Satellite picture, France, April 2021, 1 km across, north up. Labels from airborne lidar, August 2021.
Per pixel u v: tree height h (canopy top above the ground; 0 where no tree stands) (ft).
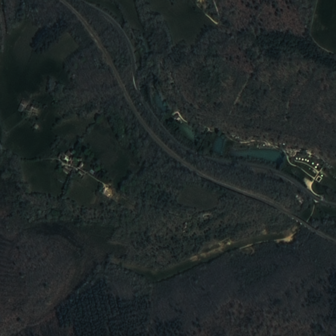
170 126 77
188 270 31
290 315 22
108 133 0
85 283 57
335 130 40
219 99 47
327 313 41
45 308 38
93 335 52
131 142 81
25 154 0
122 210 48
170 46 64
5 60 0
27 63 0
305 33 36
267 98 62
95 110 62
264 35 40
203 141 45
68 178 42
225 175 54
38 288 32
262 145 54
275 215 52
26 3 71
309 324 68
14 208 37
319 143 47
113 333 67
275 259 33
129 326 59
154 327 46
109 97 99
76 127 0
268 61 30
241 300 48
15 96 0
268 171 0
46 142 0
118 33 48
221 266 47
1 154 36
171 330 41
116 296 48
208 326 25
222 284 44
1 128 0
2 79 0
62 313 69
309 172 0
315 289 41
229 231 41
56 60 0
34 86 0
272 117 23
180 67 35
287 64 50
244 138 40
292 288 38
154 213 65
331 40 0
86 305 69
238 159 33
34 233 36
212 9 72
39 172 0
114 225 64
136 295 58
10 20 49
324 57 30
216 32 61
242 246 0
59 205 67
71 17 42
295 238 27
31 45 0
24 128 0
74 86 31
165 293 42
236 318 20
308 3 52
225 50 36
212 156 47
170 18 0
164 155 44
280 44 27
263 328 56
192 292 54
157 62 67
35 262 38
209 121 47
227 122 44
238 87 49
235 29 29
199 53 64
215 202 0
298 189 35
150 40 47
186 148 62
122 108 79
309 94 54
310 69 52
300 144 34
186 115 41
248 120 31
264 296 51
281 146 40
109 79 48
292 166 0
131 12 0
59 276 27
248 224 29
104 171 27
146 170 63
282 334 17
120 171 0
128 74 38
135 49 37
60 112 37
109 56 23
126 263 73
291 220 70
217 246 0
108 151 0
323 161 70
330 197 55
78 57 62
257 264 31
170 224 33
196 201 0
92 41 34
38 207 75
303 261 53
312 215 0
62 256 37
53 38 64
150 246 61
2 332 40
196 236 42
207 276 44
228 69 52
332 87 67
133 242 42
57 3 52
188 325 39
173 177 83
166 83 41
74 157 29
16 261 25
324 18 0
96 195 38
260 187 60
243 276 32
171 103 52
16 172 60
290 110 20
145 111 82
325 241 53
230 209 48
